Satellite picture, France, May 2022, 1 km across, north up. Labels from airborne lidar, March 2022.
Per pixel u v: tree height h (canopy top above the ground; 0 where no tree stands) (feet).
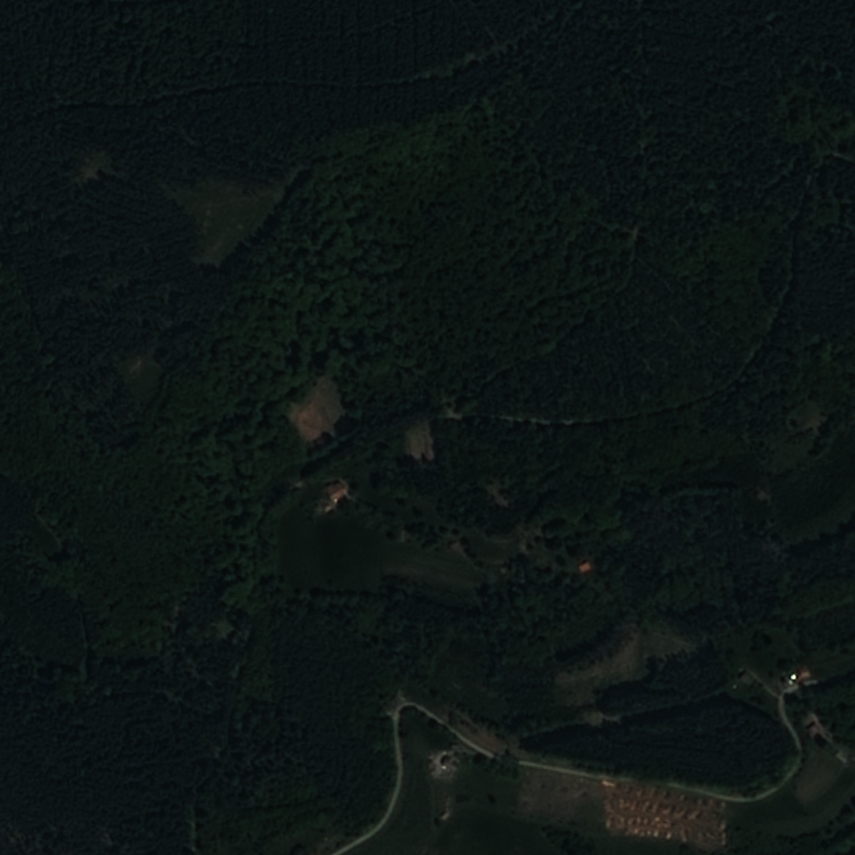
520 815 0
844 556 87
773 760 56
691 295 33
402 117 51
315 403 0
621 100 57
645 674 0
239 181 67
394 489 71
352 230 115
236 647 79
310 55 52
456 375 43
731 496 78
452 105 46
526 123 64
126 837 74
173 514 75
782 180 77
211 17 54
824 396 56
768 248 46
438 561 0
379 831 0
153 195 70
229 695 86
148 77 46
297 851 30
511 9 46
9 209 59
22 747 87
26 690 46
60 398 65
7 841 81
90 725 80
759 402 68
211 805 43
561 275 53
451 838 0
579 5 52
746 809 0
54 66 59
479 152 21
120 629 76
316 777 34
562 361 57
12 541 69
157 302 74
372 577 0
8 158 75
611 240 69
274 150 52
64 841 73
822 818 0
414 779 0
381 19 52
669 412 40
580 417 50
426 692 38
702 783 63
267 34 48
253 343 94
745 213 56
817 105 70
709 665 105
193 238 76
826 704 77
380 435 67
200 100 55
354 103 48
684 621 113
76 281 65
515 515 38
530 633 43
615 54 48
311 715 50
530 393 38
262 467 112
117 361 62
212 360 85
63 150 73
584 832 0
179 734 92
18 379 55
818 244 70
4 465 61
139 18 54
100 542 63
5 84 57
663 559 90
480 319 38
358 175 52
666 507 80
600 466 55
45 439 47
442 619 77
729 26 63
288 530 0
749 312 65
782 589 85
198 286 72
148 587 58
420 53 50
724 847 79
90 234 71
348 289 118
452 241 49
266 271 72
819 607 90
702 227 71
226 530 73
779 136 49
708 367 61
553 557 0
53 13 67
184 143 62
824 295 73
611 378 40
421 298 47
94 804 82
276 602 43
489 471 52
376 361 122
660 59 53
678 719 87
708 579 86
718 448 49
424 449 0
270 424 109
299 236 81
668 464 51
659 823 110
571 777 0
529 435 45
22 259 76
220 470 115
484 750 0
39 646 26
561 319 70
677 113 52
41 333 71
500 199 49
